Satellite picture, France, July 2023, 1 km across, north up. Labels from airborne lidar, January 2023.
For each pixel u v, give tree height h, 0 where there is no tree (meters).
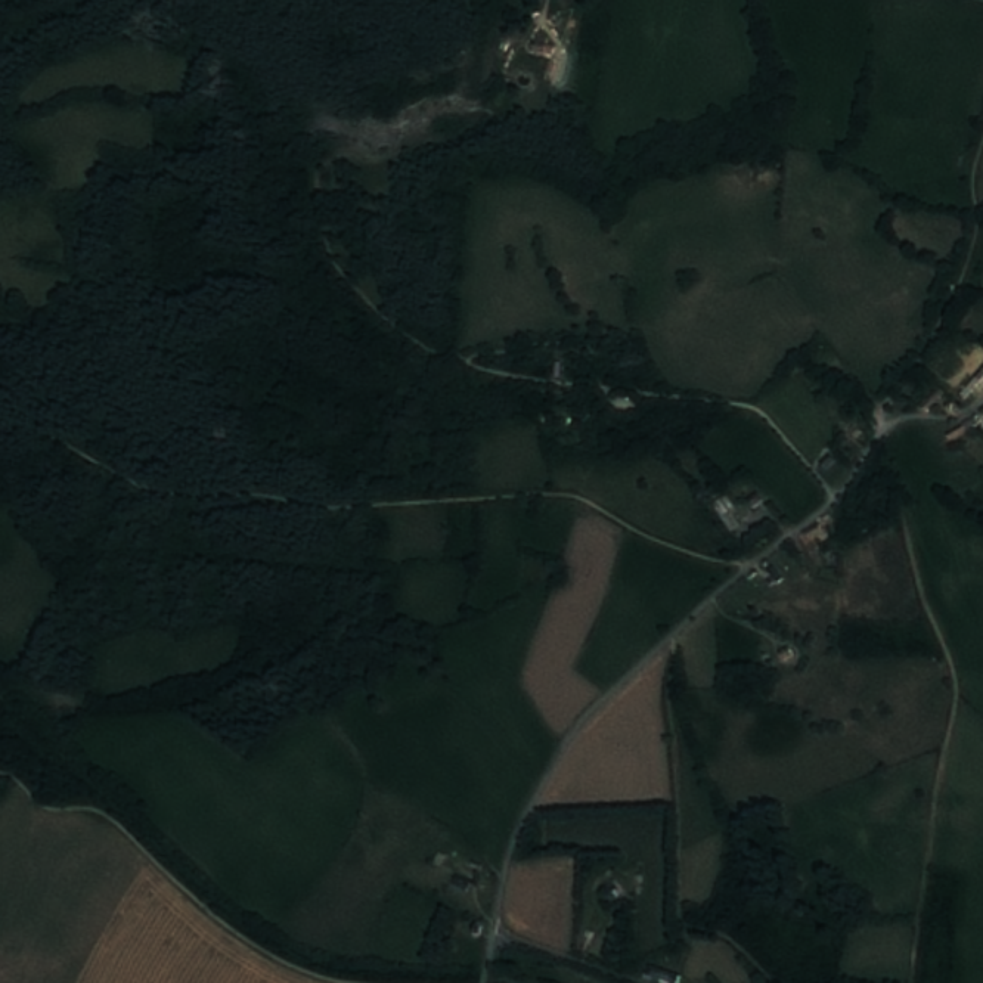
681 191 0
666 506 0
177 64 0
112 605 20
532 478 0
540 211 0
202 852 0
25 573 0
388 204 20
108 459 13
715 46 0
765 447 0
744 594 0
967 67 0
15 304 22
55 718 6
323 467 17
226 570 11
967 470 0
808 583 0
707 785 13
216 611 17
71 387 27
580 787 0
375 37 15
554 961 10
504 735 0
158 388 22
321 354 18
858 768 0
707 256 0
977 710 0
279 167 8
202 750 0
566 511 0
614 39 0
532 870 0
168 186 25
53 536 8
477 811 0
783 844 20
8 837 0
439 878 0
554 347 10
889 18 0
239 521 26
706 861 0
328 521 20
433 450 7
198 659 0
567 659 0
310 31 17
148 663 0
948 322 11
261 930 12
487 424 7
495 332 0
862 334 0
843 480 0
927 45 0
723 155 16
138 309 19
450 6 17
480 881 7
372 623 13
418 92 6
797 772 0
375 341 13
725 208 0
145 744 0
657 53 0
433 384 12
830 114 0
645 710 0
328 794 0
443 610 0
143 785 0
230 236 27
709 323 0
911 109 0
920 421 0
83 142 0
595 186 18
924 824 0
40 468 19
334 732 0
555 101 14
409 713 0
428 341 7
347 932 0
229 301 29
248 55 20
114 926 0
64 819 0
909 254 19
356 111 9
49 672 24
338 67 16
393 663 9
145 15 24
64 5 10
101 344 16
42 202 0
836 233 0
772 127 9
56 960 0
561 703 0
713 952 0
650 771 0
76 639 11
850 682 0
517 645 0
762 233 0
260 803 0
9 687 10
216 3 18
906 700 0
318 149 20
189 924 0
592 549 0
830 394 9
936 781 0
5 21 14
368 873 0
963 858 0
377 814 0
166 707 10
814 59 0
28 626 0
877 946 0
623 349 11
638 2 0
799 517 0
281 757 0
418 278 20
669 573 0
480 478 7
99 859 0
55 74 0
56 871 0
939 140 0
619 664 0
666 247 0
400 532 0
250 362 17
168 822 0
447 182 12
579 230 0
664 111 0
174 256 6
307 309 10
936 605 0
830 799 0
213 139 22
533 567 0
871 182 8
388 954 0
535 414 18
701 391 6
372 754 0
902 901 0
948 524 0
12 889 0
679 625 0
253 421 25
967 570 0
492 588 0
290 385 14
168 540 7
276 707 22
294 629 11
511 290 0
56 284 0
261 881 0
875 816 0
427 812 0
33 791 7
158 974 0
